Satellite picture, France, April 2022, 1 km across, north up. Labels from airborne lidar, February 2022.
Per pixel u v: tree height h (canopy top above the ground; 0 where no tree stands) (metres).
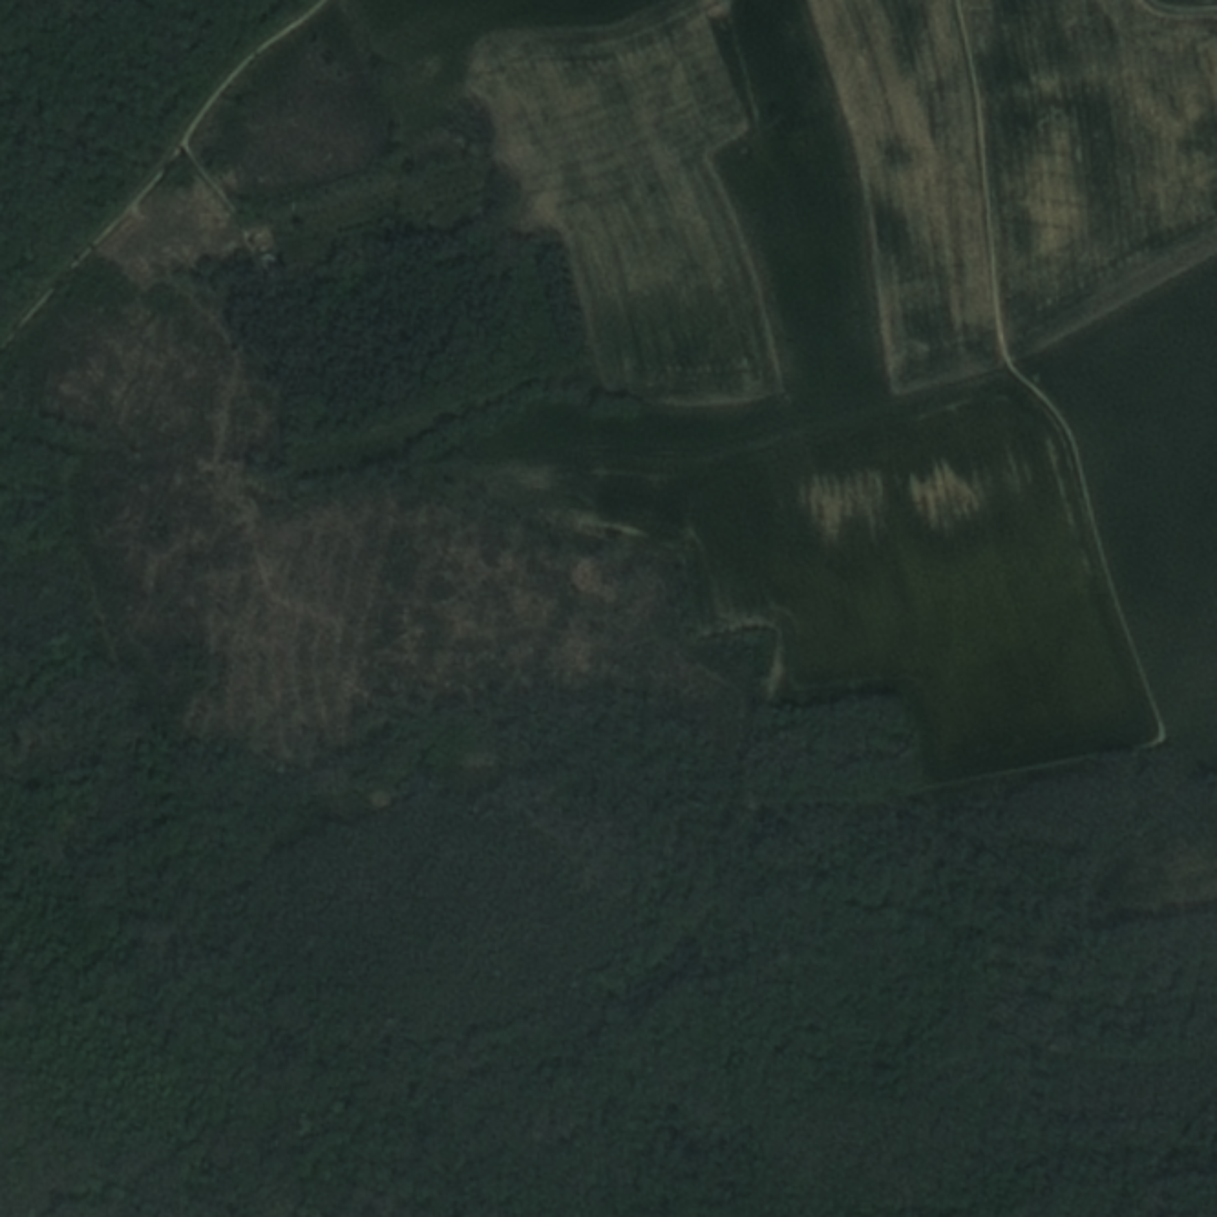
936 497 0
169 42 25
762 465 0
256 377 0
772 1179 27
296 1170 29
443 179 0
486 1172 27
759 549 0
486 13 0
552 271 24
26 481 21
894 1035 25
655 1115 21
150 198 0
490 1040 23
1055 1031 31
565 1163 30
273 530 0
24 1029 7
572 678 0
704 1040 25
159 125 16
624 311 0
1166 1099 15
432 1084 24
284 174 0
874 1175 27
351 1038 24
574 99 0
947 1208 27
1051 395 0
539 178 0
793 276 0
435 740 25
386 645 0
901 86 0
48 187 28
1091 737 0
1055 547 0
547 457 0
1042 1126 27
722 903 24
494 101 0
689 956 26
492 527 0
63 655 17
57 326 0
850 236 0
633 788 25
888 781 27
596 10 0
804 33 0
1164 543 0
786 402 0
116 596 0
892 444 0
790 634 0
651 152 0
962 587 0
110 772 22
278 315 21
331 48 0
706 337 0
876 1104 28
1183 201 0
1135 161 0
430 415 15
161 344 0
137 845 20
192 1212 18
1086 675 0
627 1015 27
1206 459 0
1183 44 0
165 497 0
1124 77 0
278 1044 25
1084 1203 23
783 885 13
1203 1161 18
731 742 0
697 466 0
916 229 0
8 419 6
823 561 0
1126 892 0
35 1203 24
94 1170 17
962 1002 27
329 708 0
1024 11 0
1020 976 27
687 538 0
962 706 0
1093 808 21
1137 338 0
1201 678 0
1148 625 0
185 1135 12
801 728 15
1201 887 0
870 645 0
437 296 23
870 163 0
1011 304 0
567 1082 25
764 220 0
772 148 0
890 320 0
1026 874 7
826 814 18
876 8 0
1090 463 0
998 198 0
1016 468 0
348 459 0
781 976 20
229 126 0
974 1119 25
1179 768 20
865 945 25
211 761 19
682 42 0
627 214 0
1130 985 24
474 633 0
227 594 0
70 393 0
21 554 23
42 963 16
